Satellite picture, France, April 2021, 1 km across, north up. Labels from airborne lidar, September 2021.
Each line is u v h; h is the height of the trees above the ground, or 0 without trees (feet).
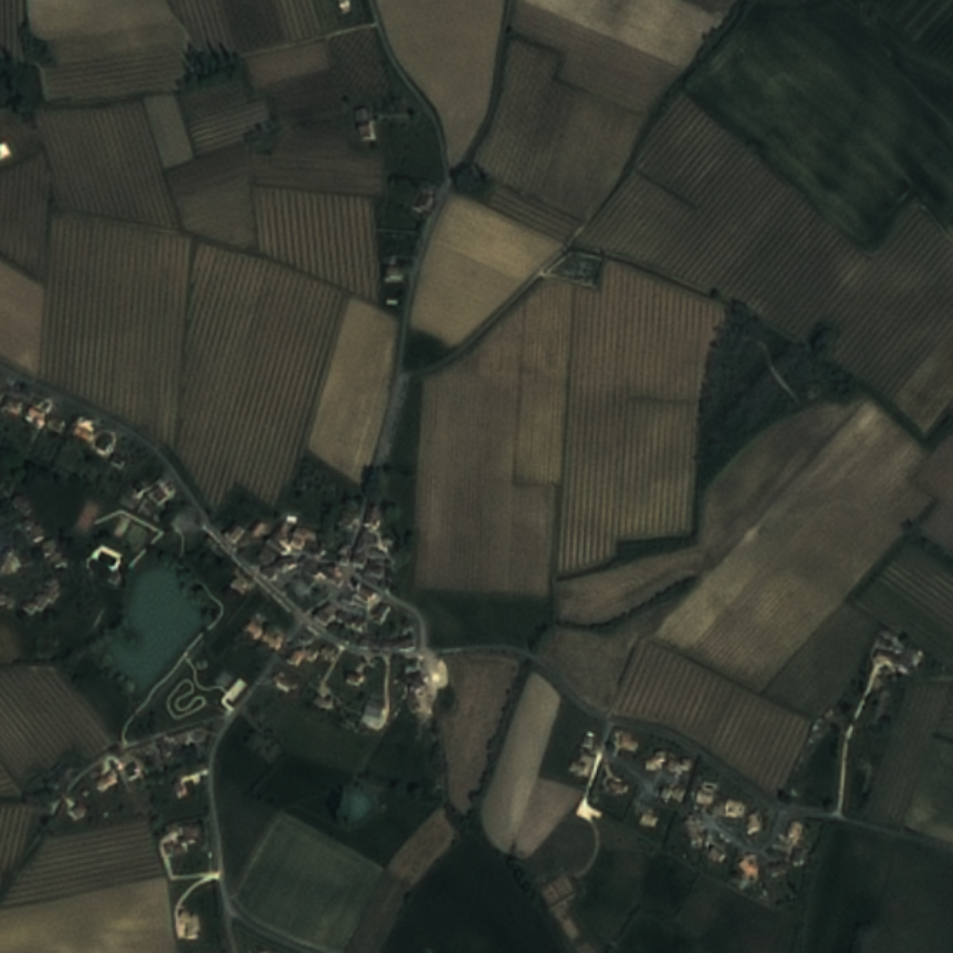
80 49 0
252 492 0
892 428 0
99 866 0
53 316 0
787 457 0
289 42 0
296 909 0
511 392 0
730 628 0
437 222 0
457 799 0
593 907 0
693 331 0
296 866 0
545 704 0
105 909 0
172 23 0
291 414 0
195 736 0
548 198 0
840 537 0
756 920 0
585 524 0
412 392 0
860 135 0
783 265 0
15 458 47
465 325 0
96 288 0
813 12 0
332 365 0
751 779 0
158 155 0
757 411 44
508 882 0
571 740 0
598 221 0
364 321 0
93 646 43
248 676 0
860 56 0
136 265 0
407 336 0
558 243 0
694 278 0
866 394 0
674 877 25
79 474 20
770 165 0
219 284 0
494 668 0
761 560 0
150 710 0
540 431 0
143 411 0
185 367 0
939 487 0
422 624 0
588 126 0
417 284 0
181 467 0
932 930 0
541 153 0
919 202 0
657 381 0
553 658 0
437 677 0
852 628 0
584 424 0
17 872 0
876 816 0
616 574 0
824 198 0
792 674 0
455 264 0
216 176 0
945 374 0
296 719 0
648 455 0
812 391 49
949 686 0
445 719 0
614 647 0
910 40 0
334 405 0
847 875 0
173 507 30
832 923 0
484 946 0
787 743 0
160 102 0
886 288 0
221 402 0
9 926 0
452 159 0
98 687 0
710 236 0
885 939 0
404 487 0
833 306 0
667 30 0
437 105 0
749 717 0
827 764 0
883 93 0
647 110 0
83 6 0
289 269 0
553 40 0
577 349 0
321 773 0
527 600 0
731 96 0
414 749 0
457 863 0
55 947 0
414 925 0
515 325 0
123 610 24
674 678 0
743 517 0
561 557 0
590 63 0
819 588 0
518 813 0
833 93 0
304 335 0
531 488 0
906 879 0
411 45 0
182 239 0
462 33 0
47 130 0
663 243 0
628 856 0
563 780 0
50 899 0
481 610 0
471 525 0
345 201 0
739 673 0
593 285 0
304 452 0
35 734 0
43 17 0
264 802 18
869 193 0
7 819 0
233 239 0
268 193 0
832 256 0
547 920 0
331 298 0
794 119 0
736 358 52
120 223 0
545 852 0
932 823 0
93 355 0
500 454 0
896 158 0
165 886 0
